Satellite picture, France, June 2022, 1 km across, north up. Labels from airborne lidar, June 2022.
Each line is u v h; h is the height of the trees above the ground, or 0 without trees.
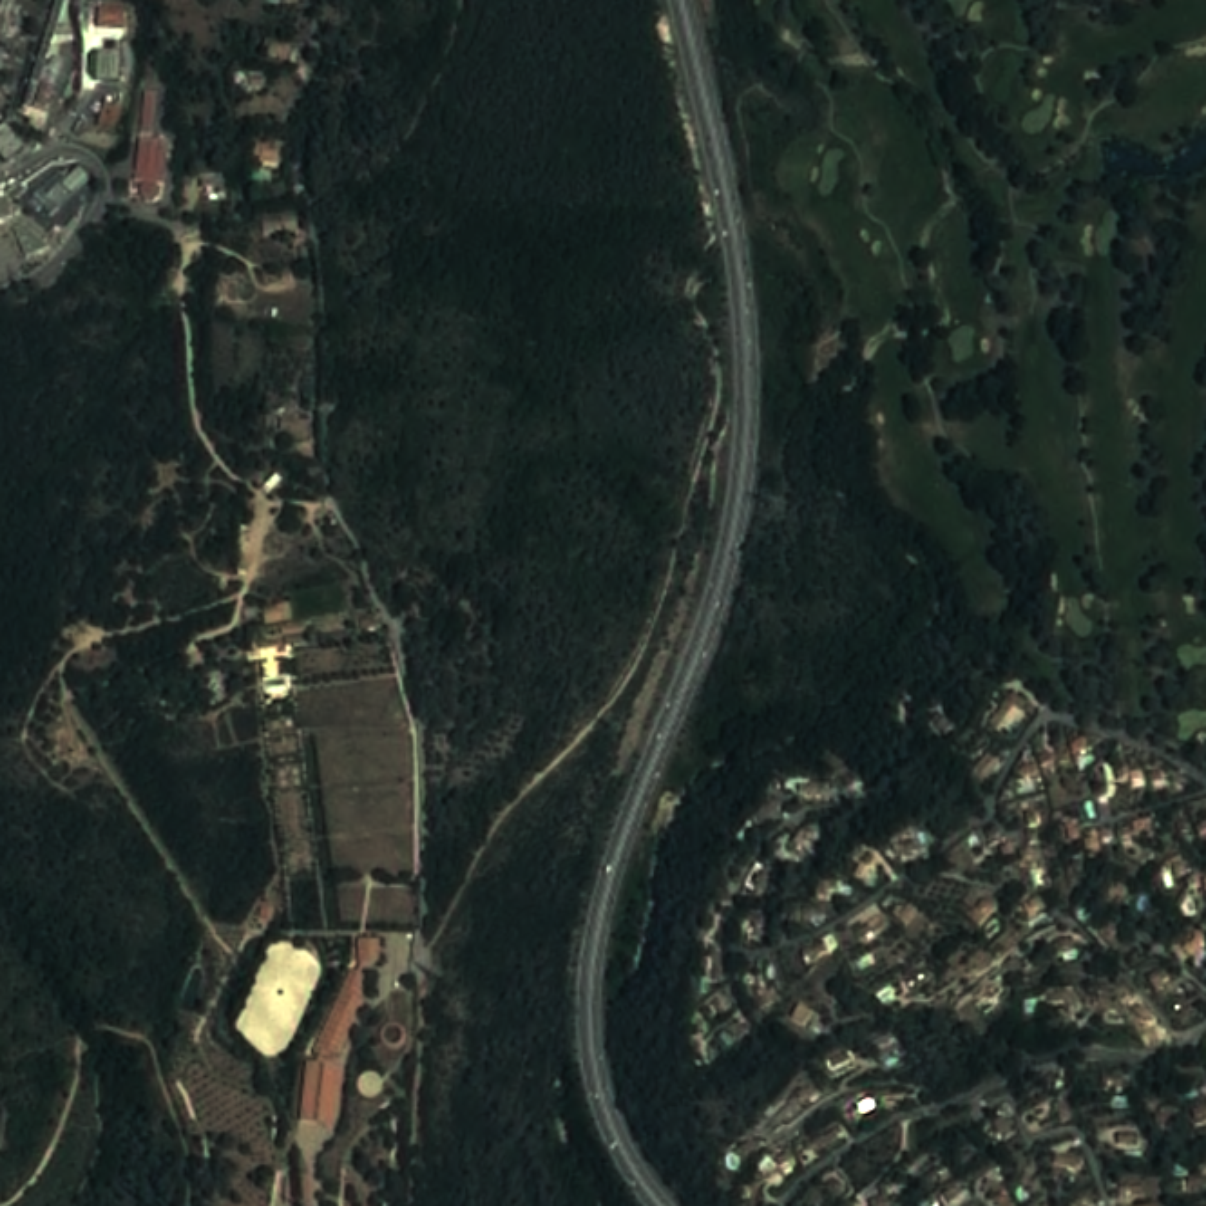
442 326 9
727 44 11
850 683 11
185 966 10
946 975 9
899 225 0
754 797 11
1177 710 22
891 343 0
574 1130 12
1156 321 23
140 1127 17
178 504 6
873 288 0
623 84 11
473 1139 8
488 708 13
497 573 10
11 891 10
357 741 0
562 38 10
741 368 0
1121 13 18
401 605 7
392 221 7
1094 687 19
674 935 20
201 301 7
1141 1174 16
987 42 14
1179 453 0
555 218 7
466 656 14
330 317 9
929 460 0
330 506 0
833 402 18
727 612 0
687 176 7
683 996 12
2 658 8
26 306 6
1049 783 6
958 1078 22
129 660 8
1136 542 0
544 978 19
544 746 13
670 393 8
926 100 15
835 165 0
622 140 9
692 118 0
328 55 12
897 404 0
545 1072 8
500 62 8
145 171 0
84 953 9
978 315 0
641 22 9
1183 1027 8
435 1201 9
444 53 9
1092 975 20
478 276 6
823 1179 8
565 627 10
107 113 0
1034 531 21
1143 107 0
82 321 7
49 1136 0
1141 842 6
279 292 0
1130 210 22
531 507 9
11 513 9
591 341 11
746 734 22
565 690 12
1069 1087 7
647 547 7
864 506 14
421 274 11
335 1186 7
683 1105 10
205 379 7
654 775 0
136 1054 13
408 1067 9
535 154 8
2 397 6
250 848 5
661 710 0
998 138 12
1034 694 10
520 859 5
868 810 9
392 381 7
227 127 14
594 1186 16
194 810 5
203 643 9
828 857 22
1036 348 0
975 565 0
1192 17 0
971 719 9
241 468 8
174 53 8
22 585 8
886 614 12
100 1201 21
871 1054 22
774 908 15
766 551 12
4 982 0
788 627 7
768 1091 15
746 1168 6
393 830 0
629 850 0
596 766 30
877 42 11
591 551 11
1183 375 0
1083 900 11
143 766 6
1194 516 0
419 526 5
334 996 10
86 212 0
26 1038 7
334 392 11
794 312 9
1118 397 0
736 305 0
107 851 0
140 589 6
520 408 8
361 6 21
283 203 14
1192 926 6
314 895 6
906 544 9
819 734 23
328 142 22
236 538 7
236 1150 11
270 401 11
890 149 0
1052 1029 7
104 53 0
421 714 18
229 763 6
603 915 0
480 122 9
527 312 9
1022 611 12
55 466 9
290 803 0
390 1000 0
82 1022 15
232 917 7
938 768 13
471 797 7
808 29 9
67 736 0
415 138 6
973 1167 7
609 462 6
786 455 9
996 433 0
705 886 22
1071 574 0
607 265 9
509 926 7
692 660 0
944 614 11
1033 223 0
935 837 9
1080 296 23
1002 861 8
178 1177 20
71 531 6
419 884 7
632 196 10
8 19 0
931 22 23
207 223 9
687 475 6
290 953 0
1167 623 12
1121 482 0
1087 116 0
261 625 9
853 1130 8
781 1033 16
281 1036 0
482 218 8
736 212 0
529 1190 9
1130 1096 11
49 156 0
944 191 0
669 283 11
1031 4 20
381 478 9
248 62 8
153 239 9
